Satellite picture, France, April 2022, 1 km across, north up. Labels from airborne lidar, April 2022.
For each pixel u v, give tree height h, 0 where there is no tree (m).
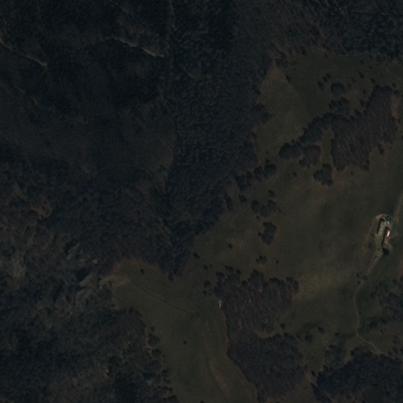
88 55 14
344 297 0
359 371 16
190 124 26
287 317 0
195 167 28
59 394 20
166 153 18
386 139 20
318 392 21
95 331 11
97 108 19
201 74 27
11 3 28
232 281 16
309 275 0
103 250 18
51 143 25
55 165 21
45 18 21
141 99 22
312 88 0
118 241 21
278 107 0
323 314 0
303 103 0
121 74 21
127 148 16
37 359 24
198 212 17
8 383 28
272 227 15
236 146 24
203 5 11
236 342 17
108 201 25
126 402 15
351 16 35
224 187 18
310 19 35
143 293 0
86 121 22
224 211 12
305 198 0
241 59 25
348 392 16
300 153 13
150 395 9
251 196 0
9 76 24
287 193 0
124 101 22
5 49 22
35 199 22
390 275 0
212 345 0
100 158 15
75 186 27
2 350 25
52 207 12
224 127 25
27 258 19
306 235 0
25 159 17
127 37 14
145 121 18
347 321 0
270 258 0
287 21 32
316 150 19
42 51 16
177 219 17
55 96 20
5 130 16
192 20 12
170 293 0
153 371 10
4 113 14
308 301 0
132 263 0
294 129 0
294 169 0
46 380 21
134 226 21
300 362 19
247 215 0
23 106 16
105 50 18
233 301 20
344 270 0
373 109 19
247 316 23
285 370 19
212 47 30
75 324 18
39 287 20
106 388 15
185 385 0
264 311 25
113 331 11
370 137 24
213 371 0
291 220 0
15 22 28
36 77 20
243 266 0
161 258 16
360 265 0
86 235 11
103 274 7
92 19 26
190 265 0
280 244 0
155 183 18
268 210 15
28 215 11
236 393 0
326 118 12
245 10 22
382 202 0
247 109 25
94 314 7
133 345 9
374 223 0
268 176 10
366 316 0
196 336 0
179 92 31
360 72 0
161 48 28
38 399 22
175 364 0
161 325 0
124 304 0
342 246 0
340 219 0
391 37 27
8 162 25
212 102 26
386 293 17
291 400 0
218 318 0
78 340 14
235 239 0
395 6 16
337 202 0
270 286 17
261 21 23
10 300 23
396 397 13
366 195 0
